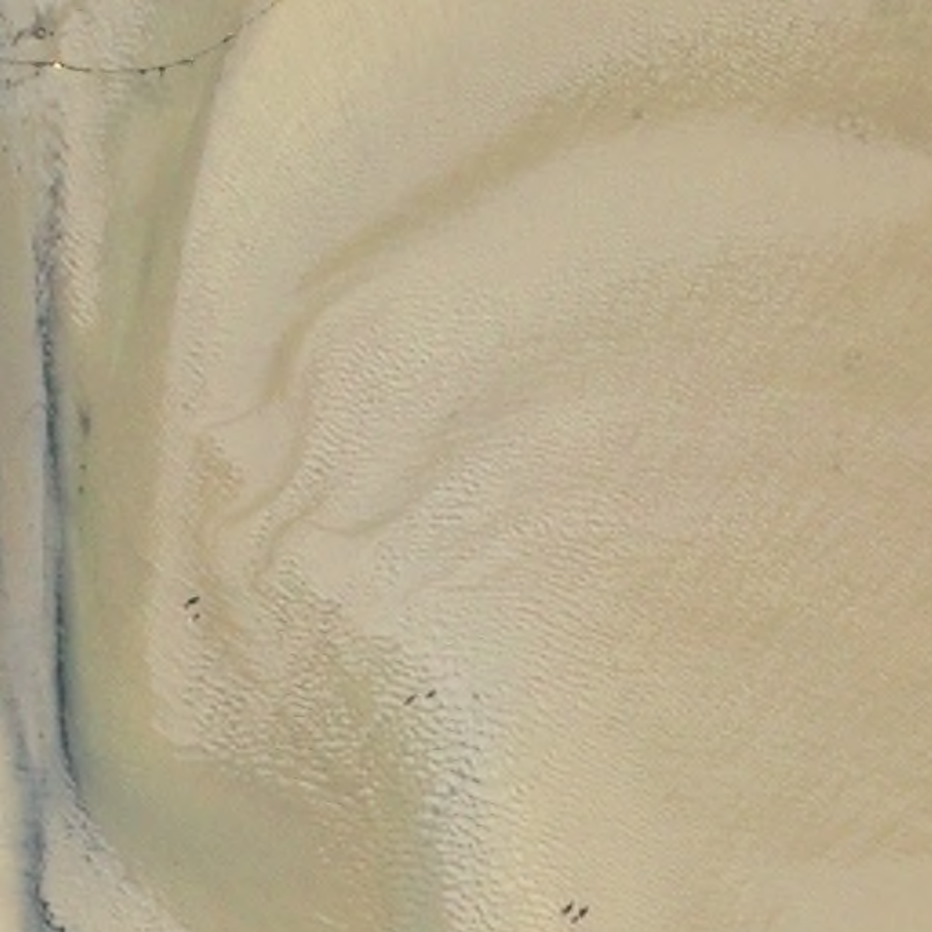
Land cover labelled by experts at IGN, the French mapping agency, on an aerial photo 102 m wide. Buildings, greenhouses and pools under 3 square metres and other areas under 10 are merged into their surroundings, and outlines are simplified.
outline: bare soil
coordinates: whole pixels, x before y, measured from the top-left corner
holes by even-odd
[[[0,0],[0,932],[932,932],[932,0]]]

